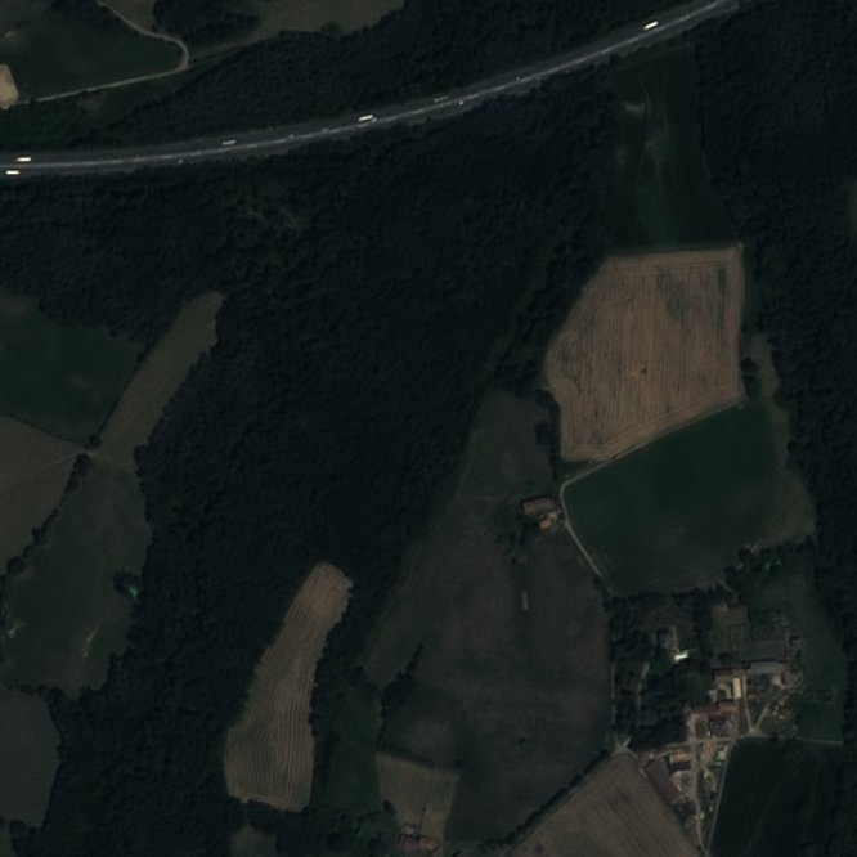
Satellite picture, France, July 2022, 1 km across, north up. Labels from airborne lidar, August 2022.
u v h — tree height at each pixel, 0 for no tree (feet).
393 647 0
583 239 87
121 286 77
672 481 0
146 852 60
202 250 64
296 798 0
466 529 0
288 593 59
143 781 87
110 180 38
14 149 22
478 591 0
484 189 31
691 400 0
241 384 90
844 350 79
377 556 68
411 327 55
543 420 0
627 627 39
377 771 0
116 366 0
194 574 63
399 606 0
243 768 0
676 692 45
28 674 0
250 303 83
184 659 76
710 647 31
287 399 76
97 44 0
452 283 47
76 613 0
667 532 0
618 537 0
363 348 66
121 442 0
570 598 0
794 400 61
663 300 0
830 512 74
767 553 43
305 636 0
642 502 0
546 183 70
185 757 63
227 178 69
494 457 0
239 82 71
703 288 0
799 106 77
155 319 66
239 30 49
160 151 0
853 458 72
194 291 68
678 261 0
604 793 0
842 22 69
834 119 59
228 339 57
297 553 59
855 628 64
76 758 79
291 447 60
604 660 0
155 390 0
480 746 0
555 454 33
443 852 0
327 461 67
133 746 70
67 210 61
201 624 66
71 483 30
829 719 0
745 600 34
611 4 57
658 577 0
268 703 0
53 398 0
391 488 45
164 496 76
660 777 0
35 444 0
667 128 0
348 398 52
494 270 88
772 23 63
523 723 0
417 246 67
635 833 0
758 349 0
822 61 74
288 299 82
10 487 0
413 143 42
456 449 73
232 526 76
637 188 0
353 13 0
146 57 0
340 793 0
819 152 73
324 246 81
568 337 0
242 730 0
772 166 57
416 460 79
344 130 0
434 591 0
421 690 0
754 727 0
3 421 0
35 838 63
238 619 69
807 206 63
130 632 0
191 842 38
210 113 65
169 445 75
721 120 79
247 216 36
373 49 74
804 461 71
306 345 81
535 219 90
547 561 0
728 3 0
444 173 53
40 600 0
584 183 84
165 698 92
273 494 70
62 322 53
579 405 0
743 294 0
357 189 43
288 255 79
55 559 0
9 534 0
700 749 0
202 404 72
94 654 0
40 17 0
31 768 0
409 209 49
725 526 0
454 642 0
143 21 0
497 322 69
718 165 38
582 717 0
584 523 0
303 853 67
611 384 0
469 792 0
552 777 0
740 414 0
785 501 0
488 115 79
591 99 53
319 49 60
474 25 77
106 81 0
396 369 63
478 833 0
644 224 0
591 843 0
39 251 77
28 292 50
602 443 0
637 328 0
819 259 66
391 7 0
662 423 0
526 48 79
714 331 0
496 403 0
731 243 0
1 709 0
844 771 58
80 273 83
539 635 0
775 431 0
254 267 81
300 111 66
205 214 76
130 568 0
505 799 0
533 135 75
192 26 63
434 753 0
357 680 77
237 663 71
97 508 0
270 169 72
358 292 81
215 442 76
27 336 0
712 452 0
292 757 0
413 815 0
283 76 72
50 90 0
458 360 55
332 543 54
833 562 75
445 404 60
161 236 79
